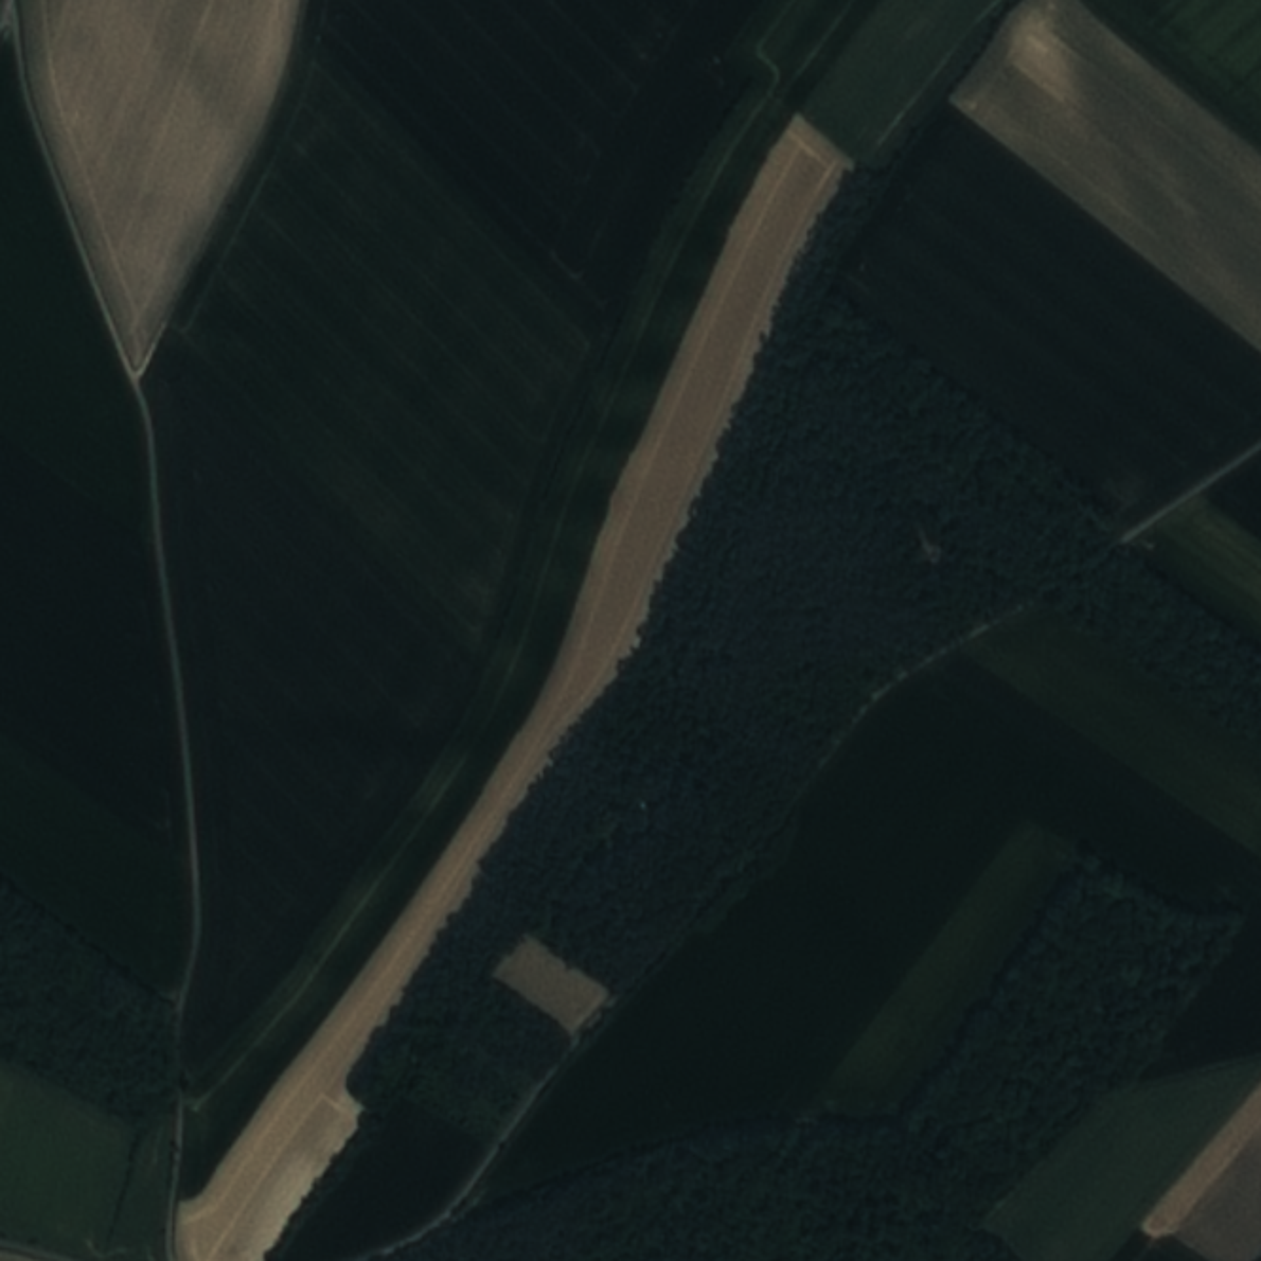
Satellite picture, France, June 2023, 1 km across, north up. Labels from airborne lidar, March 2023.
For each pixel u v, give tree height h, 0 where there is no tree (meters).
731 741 16
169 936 0
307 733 0
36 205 0
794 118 0
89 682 0
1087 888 15
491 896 16
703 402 0
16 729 0
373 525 0
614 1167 9
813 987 0
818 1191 19
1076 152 0
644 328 0
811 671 13
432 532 0
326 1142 0
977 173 0
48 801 0
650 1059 0
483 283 0
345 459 0
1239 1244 0
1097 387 0
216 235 0
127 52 0
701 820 19
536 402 0
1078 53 0
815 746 13
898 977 0
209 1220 0
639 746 21
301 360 0
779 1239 14
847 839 0
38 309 0
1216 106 0
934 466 18
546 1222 17
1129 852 0
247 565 0
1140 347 0
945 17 0
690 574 15
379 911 0
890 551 18
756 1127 16
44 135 0
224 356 0
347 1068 0
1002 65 0
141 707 0
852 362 19
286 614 0
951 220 0
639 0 0
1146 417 0
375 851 0
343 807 0
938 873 0
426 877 0
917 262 0
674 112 0
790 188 0
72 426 0
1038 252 0
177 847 0
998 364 0
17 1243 0
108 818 0
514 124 0
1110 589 19
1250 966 0
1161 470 0
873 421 17
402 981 0
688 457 0
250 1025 0
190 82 0
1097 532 18
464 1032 15
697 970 0
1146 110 0
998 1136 19
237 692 0
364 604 0
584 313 0
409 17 0
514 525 0
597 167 0
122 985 20
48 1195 0
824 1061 0
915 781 0
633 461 0
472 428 0
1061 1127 11
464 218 0
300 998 0
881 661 11
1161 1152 0
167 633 0
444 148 0
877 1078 0
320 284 0
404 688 0
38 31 0
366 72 0
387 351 0
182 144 0
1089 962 21
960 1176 21
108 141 0
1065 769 0
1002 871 0
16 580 0
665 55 0
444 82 0
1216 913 17
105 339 0
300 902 0
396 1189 0
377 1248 0
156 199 0
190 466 0
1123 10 0
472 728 0
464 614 0
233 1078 0
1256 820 0
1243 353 0
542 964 0
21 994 18
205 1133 0
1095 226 0
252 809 0
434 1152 0
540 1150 0
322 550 0
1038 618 0
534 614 0
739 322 0
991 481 19
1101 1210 0
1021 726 0
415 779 0
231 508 0
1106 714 0
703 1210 21
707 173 0
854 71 0
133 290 0
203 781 0
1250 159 0
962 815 0
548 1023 15
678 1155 19
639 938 17
